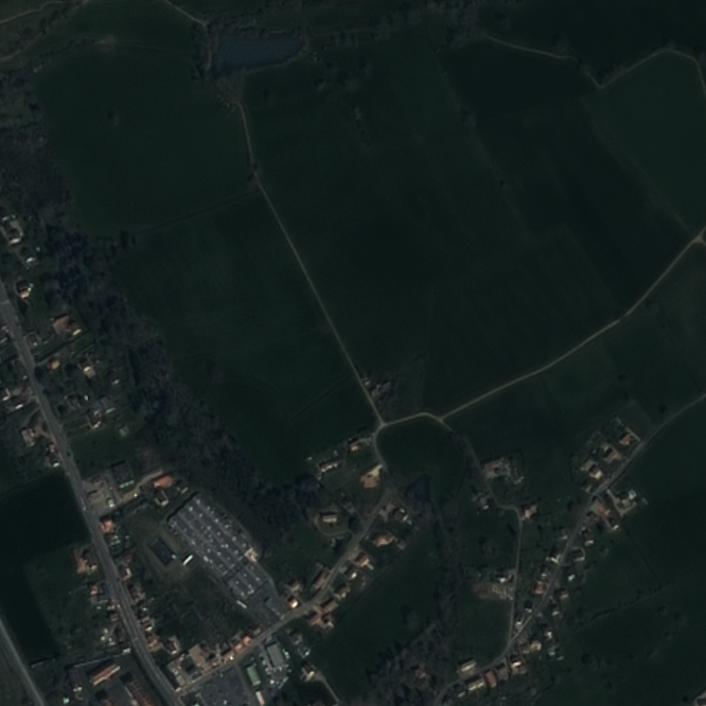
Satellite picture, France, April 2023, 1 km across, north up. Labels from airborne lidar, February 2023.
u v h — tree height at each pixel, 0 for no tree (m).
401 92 0
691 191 0
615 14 0
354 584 0
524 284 0
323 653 0
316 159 0
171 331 0
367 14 0
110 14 0
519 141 0
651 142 0
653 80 0
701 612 0
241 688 0
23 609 0
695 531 0
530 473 0
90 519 0
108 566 0
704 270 0
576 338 0
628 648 0
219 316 0
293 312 0
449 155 0
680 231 0
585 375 0
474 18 22
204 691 0
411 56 0
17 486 0
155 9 0
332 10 0
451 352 0
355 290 0
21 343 0
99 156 0
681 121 0
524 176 0
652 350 0
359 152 0
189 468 8
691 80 0
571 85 0
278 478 0
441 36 0
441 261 0
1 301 0
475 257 0
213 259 0
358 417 0
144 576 6
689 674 0
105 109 0
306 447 0
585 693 0
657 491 0
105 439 0
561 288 0
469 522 0
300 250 0
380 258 0
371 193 0
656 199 0
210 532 0
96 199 0
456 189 0
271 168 0
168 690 0
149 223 0
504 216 0
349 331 0
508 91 0
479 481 15
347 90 20
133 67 0
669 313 0
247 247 0
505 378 0
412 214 0
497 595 0
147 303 0
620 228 0
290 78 0
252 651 0
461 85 0
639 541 0
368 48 0
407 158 0
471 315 0
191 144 0
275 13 16
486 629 0
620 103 0
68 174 0
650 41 0
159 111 0
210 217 0
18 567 0
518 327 0
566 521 0
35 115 15
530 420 0
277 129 0
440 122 0
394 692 19
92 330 10
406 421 0
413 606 0
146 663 0
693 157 0
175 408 29
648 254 0
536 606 0
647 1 0
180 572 0
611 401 0
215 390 0
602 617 7
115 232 0
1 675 0
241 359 0
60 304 25
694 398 0
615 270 0
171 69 0
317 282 0
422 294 0
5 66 0
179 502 0
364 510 11
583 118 0
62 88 0
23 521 0
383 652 0
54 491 0
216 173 0
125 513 15
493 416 0
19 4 0
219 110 0
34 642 0
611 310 0
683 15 0
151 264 0
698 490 0
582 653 0
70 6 15
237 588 0
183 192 0
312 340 0
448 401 0
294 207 0
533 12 0
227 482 10
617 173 0
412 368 0
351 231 0
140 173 0
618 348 0
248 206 0
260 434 0
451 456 0
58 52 7
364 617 0
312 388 0
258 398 0
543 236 0
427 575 0
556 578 0
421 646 12
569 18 0
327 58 0
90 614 0
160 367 22
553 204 0
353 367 0
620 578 0
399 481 19
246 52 0
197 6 0
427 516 20
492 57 0
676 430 0
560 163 0
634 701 0
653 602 0
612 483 0
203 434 26
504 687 11
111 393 0
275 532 14
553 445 0
